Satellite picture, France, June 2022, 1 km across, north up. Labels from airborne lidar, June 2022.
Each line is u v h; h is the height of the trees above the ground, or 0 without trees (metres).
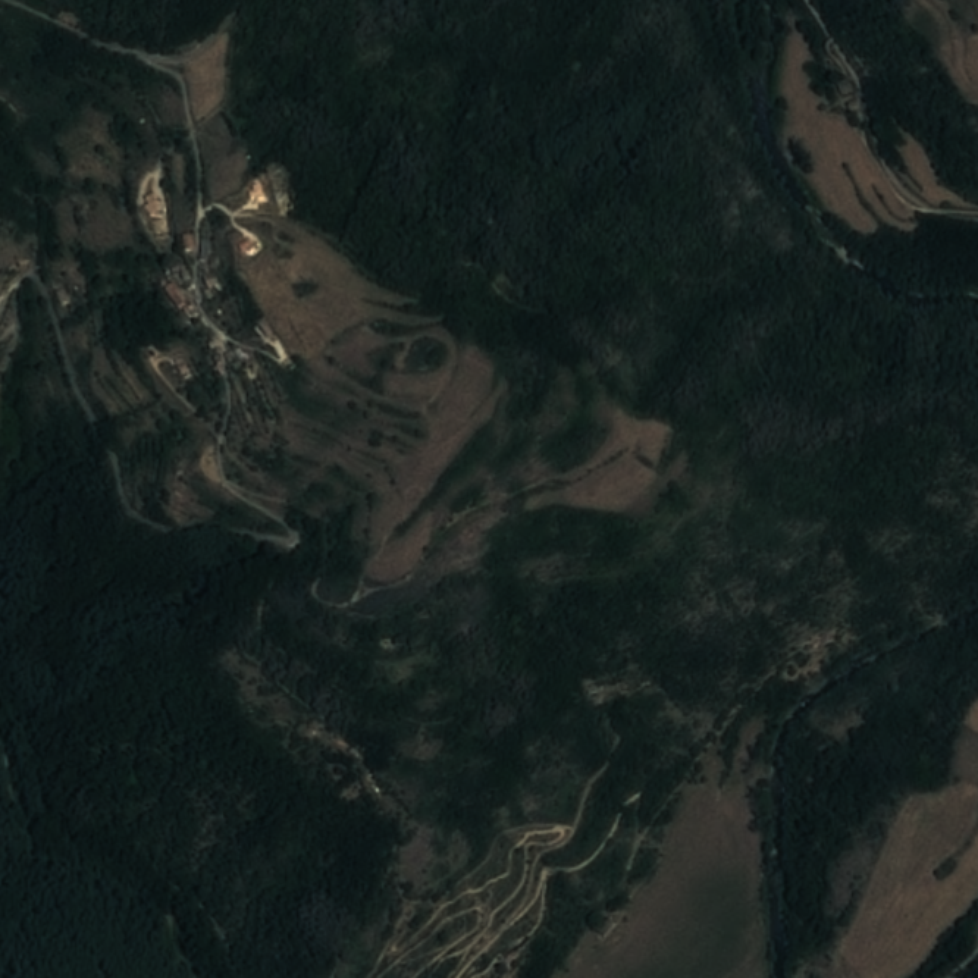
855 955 0
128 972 25
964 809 0
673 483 7
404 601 0
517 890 0
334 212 17
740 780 0
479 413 0
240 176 0
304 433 0
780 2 25
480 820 10
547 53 10
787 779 23
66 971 24
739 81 22
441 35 18
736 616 8
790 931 14
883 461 11
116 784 19
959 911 0
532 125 11
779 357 13
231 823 13
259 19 13
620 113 36
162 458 7
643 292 16
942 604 15
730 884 0
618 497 0
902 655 14
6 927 24
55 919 29
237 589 21
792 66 0
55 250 8
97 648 31
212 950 20
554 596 11
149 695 16
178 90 8
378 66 5
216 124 0
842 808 22
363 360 0
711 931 0
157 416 9
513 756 9
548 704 14
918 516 10
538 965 8
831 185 0
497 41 14
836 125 0
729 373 17
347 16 7
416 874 0
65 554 22
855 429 7
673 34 14
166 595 28
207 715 22
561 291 16
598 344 12
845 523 9
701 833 0
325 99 21
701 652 8
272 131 13
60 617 20
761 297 18
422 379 0
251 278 0
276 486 0
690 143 9
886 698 11
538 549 6
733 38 22
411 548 0
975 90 0
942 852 0
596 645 11
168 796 17
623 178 22
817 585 7
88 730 14
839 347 17
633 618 10
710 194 17
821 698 12
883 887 0
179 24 17
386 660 0
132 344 10
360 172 22
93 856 20
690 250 14
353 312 0
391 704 9
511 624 17
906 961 0
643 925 0
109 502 20
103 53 11
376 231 18
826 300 13
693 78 13
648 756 12
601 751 12
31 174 7
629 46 15
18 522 31
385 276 15
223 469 0
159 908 19
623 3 14
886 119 14
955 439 9
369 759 11
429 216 16
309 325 0
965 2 0
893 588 11
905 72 10
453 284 11
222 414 8
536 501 0
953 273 21
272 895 13
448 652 10
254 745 17
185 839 9
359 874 13
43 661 26
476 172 17
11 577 31
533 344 8
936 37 0
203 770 16
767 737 11
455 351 0
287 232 0
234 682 6
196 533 20
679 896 0
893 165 9
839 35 9
